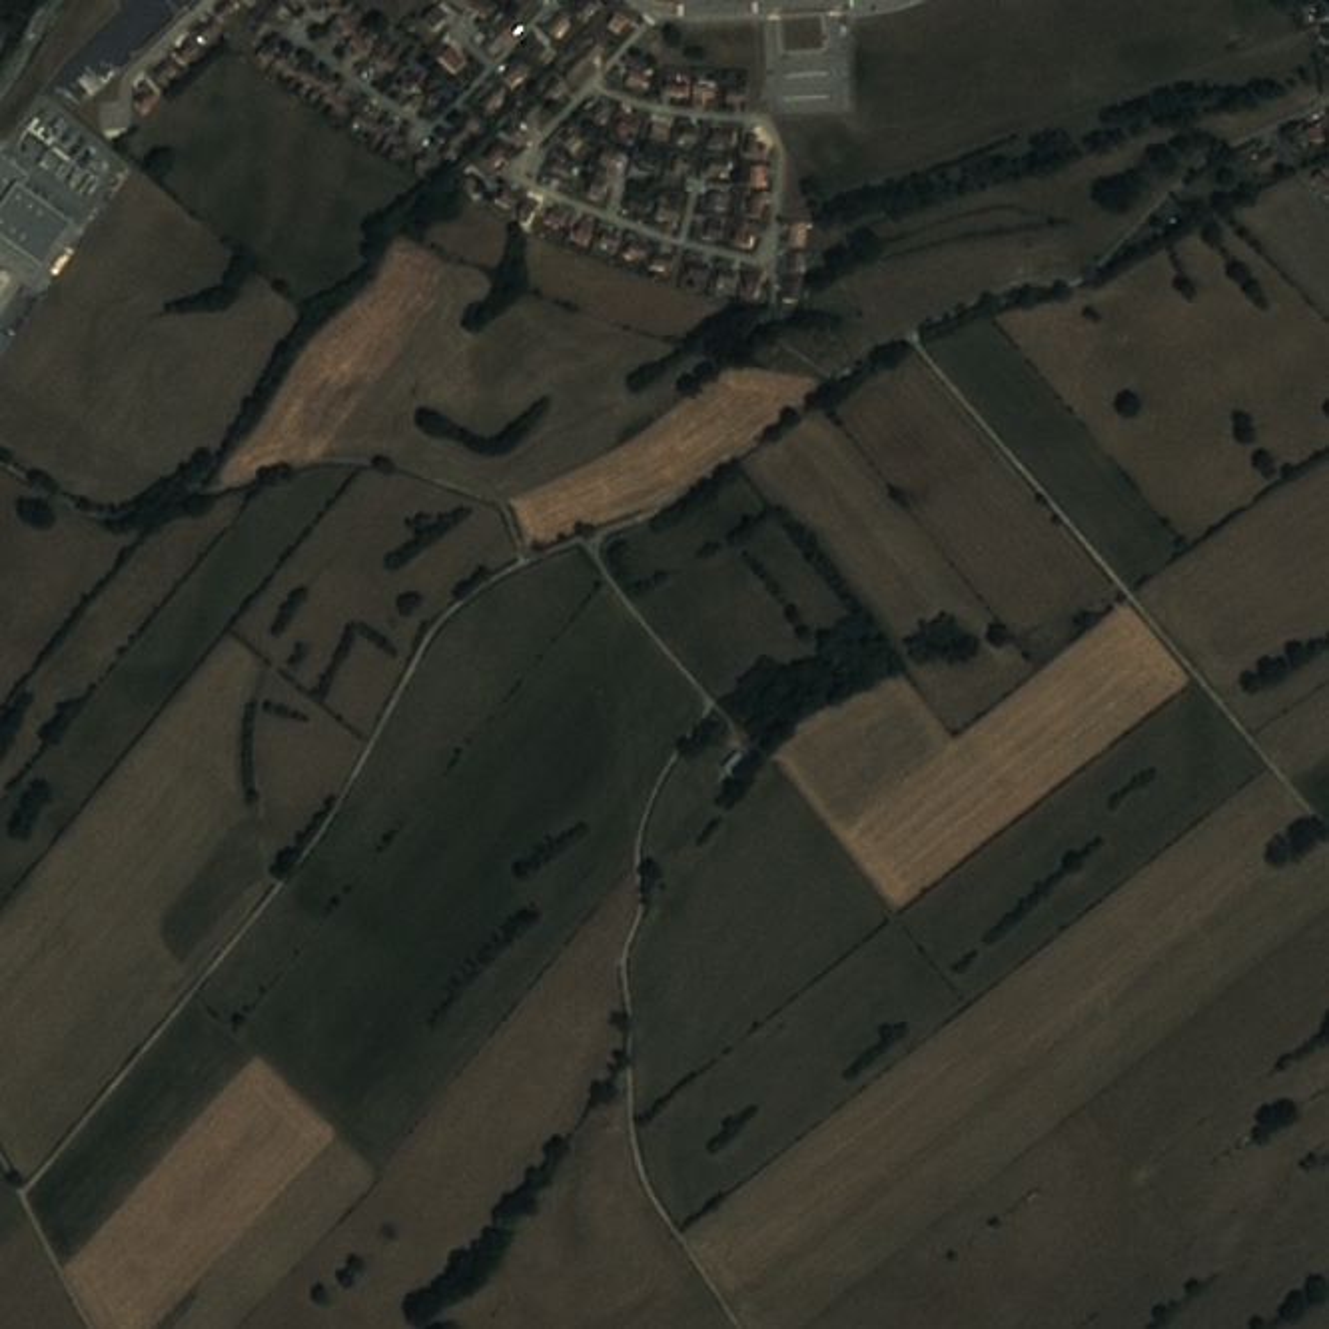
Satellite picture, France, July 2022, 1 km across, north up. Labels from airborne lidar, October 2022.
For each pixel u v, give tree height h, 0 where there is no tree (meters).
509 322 0
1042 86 0
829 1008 0
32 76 0
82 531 0
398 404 0
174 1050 0
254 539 0
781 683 8
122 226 0
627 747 0
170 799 0
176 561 0
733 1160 0
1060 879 5
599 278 0
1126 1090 0
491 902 0
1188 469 0
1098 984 0
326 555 0
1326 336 0
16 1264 0
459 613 0
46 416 0
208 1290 0
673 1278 0
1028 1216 0
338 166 0
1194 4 0
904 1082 0
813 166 0
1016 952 0
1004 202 0
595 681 0
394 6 0
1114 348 0
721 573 0
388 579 0
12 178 0
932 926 0
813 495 0
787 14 0
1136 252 13
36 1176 0
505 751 0
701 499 11
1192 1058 0
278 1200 0
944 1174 0
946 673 0
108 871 0
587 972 0
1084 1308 0
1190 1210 0
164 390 0
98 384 0
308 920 0
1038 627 0
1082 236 0
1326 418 0
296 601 7
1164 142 0
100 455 0
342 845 0
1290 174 15
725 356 17
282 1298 0
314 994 0
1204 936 0
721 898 0
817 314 8
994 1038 0
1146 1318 0
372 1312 0
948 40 0
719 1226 0
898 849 0
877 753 0
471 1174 0
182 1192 0
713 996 0
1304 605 0
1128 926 0
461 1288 17
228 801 0
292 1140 0
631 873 0
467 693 0
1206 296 0
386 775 0
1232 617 0
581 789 0
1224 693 0
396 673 0
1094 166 0
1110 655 0
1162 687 0
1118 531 0
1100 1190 0
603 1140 0
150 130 0
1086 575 0
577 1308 0
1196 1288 11
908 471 0
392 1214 0
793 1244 0
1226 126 0
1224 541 0
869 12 0
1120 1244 0
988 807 0
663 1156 0
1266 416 0
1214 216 18
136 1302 0
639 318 0
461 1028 0
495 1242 14
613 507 0
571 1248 0
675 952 0
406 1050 0
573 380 0
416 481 0
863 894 0
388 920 0
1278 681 16
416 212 14
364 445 0
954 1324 0
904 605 0
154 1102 0
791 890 0
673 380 0
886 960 0
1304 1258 0
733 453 0
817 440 0
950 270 0
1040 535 0
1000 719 0
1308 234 0
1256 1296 0
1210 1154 0
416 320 0
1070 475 0
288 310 0
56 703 0
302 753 0
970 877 0
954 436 0
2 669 0
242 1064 0
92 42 0
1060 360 0
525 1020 0
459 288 0
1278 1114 14
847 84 0
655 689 0
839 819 0
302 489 0
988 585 0
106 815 0
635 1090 0
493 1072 0
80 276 0
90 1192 0
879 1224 0
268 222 0
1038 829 0
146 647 0
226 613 0
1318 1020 0
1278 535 0
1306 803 0
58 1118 0
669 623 0
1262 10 0
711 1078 0
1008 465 0
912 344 12
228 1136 0
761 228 0
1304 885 0
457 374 0
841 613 0
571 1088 0
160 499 14
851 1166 0
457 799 0
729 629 0
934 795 0
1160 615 0
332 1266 0
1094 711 0
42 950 0
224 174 0
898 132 0
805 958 0
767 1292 0
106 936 0
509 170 0
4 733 13
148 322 0
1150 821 0
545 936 0
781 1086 0
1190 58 0
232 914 0
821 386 0
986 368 0
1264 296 12
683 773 0
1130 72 0
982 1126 0
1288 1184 0
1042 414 0
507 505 0
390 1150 0
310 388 0
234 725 0
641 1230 0
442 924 0
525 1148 0
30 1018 0
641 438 0
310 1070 0
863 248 22
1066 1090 0
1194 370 0
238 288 7
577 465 0
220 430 0
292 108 0
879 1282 0
